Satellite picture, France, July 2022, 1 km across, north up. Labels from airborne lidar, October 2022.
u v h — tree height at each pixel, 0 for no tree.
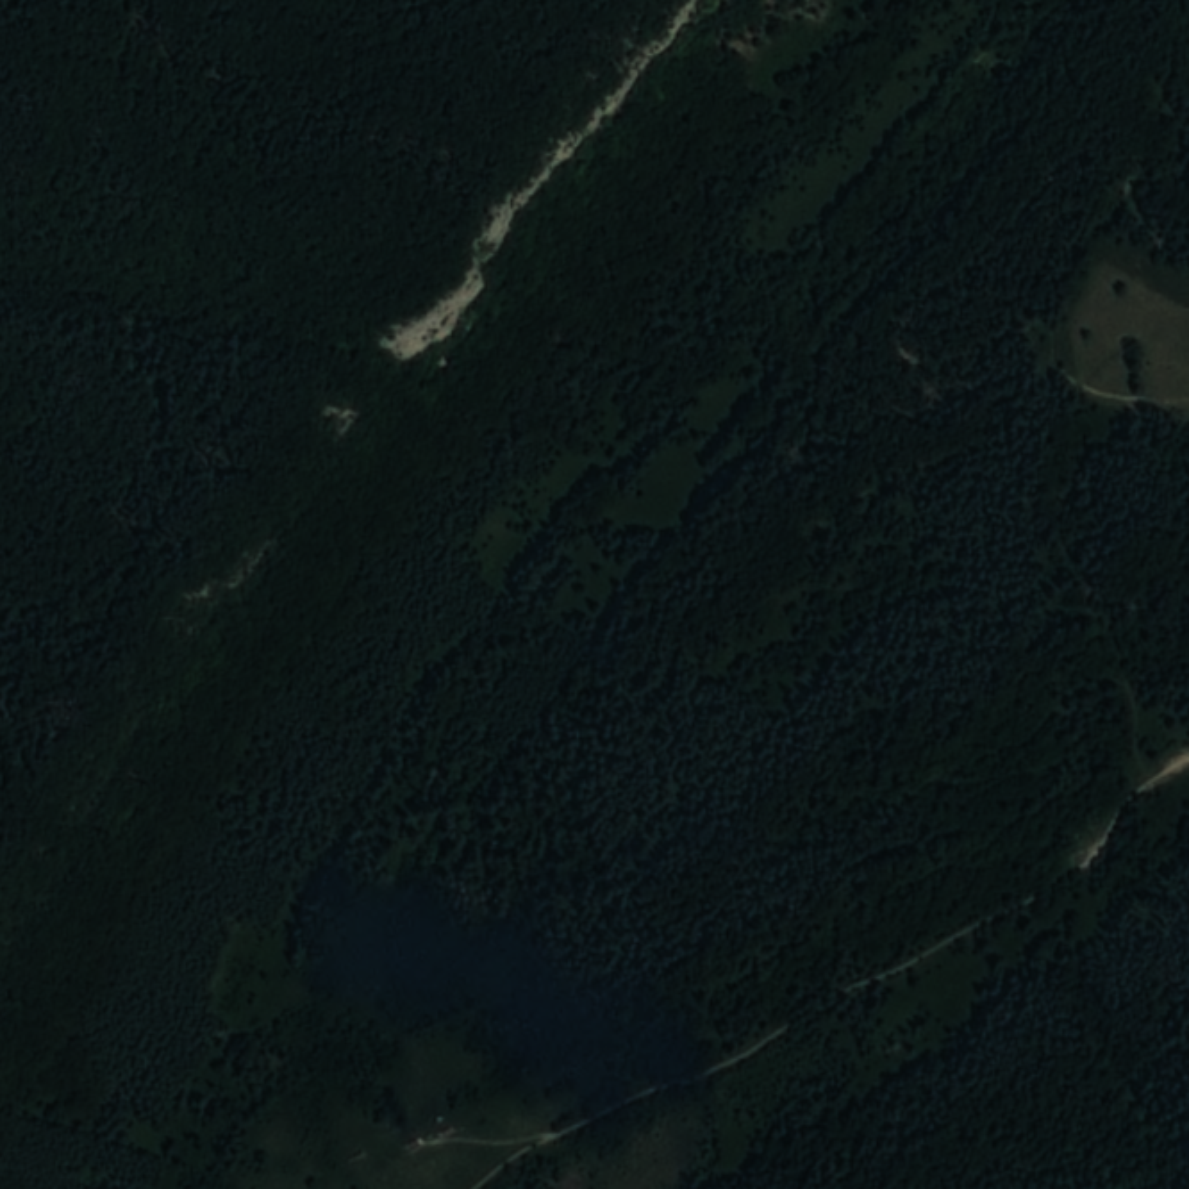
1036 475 20
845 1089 17
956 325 22
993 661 24
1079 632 25
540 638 19
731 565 26
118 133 15
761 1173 25
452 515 19
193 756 27
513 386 27
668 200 28
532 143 9
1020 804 10
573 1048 16
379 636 18
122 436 19
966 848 6
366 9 24
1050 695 14
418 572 17
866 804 8
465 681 12
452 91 19
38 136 13
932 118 25
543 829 12
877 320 28
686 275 27
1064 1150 25
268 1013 0
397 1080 0
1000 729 9
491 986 0
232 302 13
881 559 17
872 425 27
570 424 20
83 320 25
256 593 15
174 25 23
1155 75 19
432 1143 0
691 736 26
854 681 27
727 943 30
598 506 22
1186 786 0
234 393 23
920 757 23
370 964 0
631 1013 23
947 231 32
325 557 22
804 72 23
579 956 31
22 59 20
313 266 13
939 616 22
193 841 17
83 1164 21
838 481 25
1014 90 28
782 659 14
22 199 14
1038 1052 28
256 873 21
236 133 14
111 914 26
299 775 26
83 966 29
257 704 27
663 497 0
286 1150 0
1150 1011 29
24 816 20
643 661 26
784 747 24
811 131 7
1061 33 24
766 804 22
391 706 16
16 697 21
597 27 17
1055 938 17
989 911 11
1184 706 18
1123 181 22
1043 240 19
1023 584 27
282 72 19
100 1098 19
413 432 24
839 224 22
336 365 24
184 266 13
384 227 18
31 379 16
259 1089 11
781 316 24
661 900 27
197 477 29
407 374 19
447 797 8
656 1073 15
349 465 23
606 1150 9
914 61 0
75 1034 21
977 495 27
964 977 0
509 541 0
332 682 14
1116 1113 24
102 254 19
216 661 22
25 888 15
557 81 16
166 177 15
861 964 13
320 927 18
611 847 21
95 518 23
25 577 22
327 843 27
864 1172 21
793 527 22
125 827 27
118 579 20
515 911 13
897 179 32
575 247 29
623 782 21
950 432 26
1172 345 0
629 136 24
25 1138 19
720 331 26
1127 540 27
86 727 14
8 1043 28
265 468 21
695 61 29
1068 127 25
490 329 27
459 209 14
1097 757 24
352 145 17
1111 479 25
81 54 15
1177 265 18
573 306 29
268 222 15
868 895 22
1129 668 11
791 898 33
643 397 26
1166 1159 26
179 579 16
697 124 23
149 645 15
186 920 21
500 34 20
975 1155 23
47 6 18
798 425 27
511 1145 0
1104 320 0
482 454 26
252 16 16
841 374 28
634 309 22
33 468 23
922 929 8
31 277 26
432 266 15
